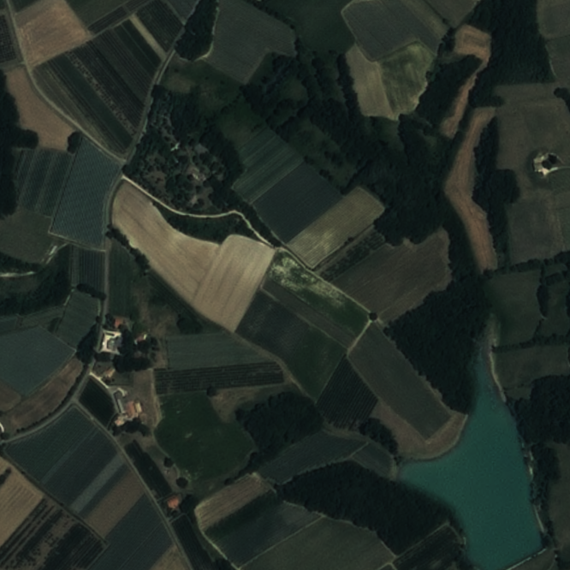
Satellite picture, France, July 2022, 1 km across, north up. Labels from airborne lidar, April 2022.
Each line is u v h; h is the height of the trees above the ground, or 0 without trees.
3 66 0
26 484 0
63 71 0
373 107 0
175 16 0
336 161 18
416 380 0
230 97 0
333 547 0
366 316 0
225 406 0
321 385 0
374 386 0
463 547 10
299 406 20
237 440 0
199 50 14
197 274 0
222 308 0
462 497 0
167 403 0
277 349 0
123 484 0
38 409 0
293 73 15
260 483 0
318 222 0
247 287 0
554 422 21
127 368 17
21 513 0
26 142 12
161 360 0
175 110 20
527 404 12
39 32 0
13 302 15
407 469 0
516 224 0
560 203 0
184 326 15
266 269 0
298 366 0
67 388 0
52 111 0
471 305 30
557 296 0
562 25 0
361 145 16
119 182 0
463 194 0
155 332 0
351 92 14
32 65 0
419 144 21
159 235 0
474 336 23
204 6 16
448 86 22
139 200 0
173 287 0
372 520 22
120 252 0
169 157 7
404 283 0
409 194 25
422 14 0
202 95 0
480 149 9
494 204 26
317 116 16
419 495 24
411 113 0
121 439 0
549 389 12
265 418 20
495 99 14
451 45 20
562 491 0
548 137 0
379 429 23
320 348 0
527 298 0
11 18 0
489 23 9
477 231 0
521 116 0
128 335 17
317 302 0
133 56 0
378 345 0
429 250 0
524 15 24
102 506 0
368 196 0
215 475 0
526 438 15
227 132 0
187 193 8
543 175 0
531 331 0
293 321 0
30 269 10
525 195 0
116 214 0
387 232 16
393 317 0
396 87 0
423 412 0
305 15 0
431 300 19
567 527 0
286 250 0
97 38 0
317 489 17
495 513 0
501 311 0
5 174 15
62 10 0
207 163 11
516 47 16
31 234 0
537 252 0
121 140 0
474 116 0
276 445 23
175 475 0
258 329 0
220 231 8
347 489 22
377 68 0
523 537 0
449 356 23
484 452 0
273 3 0
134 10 0
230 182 13
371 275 0
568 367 0
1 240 0
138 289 0
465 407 16
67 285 17
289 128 21
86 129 0
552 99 0
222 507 0
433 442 0
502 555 0
